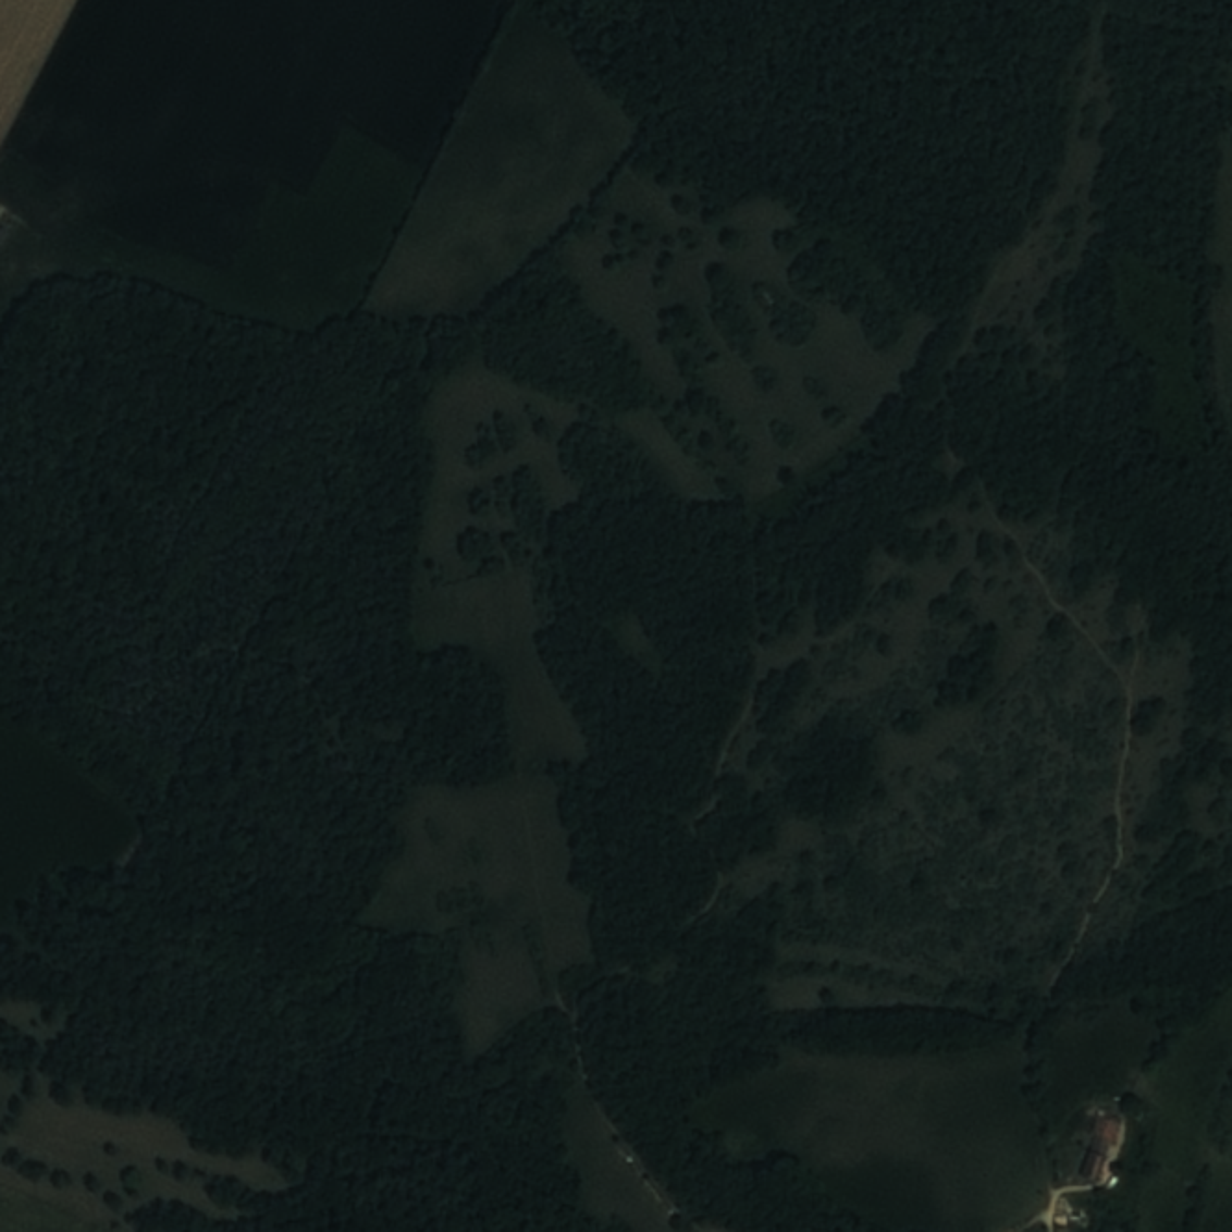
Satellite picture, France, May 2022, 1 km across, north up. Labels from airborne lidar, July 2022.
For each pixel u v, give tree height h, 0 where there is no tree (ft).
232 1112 64
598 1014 39
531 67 0
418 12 0
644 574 35
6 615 58
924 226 38
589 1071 35
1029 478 33
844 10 58
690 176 53
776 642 27
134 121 0
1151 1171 42
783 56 47
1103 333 37
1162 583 45
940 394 31
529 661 0
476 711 35
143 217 0
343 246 0
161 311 74
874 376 0
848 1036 53
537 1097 47
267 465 40
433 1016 35
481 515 40
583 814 44
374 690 40
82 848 0
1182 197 49
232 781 48
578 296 38
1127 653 24
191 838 70
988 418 38
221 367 50
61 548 54
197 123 0
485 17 0
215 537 46
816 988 0
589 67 54
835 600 41
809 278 46
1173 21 23
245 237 0
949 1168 0
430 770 33
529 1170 51
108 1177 0
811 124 54
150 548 42
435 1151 50
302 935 73
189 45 0
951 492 28
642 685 45
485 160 0
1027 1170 0
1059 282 20
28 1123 0
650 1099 52
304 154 0
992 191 42
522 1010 0
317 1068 28
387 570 55
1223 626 30
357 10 0
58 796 0
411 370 63
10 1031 46
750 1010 27
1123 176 25
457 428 0
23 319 57
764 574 26
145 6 0
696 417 41
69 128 0
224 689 32
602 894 37
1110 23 25
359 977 74
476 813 0
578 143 0
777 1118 0
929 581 0
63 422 50
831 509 46
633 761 38
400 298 0
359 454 30
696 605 45
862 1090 0
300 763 50
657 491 39
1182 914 31
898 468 23
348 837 35
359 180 0
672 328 29
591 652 40
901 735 20
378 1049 41
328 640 20
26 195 0
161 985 52
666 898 22
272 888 62
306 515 30
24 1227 0
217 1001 49
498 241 0
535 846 0
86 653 40
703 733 19
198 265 0
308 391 35
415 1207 48
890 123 49
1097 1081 0
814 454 0
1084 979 38
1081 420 43
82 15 0
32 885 0
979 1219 0
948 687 37
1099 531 25
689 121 58
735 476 0
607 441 28
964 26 57
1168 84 36
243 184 0
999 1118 0
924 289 40
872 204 54
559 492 0
